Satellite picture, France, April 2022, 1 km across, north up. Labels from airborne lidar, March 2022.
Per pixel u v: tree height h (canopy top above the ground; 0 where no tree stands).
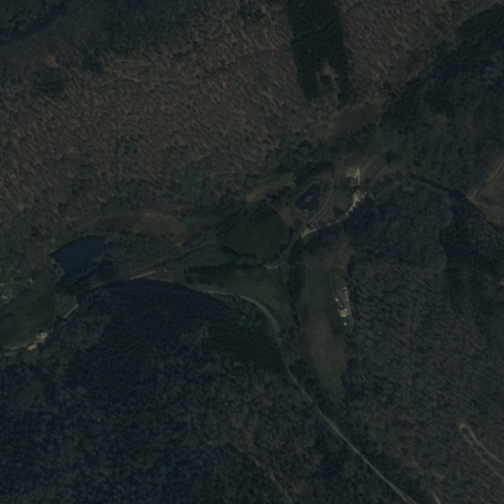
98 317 21
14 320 16
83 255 0
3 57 26
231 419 27
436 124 0
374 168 0
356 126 0
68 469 26
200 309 23
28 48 27
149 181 27
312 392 35
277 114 8
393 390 24
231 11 22
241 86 29
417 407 26
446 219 23
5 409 25
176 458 22
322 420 28
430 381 26
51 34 28
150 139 20
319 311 0
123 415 26
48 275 13
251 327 21
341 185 0
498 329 20
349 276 0
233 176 16
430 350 13
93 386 15
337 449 6
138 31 18
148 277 0
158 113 20
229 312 23
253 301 0
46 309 0
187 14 20
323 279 0
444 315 7
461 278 22
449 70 22
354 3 30
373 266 25
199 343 18
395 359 28
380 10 34
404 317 22
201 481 32
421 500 24
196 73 19
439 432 26
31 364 0
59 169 39
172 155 28
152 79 13
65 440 43
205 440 17
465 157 16
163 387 30
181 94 24
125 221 0
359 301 7
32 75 25
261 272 23
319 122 32
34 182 32
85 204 24
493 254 33
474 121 26
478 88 31
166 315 22
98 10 20
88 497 28
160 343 21
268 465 31
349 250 0
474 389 19
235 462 24
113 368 20
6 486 20
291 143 22
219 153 29
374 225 28
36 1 0
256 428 25
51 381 31
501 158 27
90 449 31
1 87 13
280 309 0
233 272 24
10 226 25
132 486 27
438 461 32
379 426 26
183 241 0
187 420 28
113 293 26
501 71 30
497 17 23
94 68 22
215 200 30
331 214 0
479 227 32
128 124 16
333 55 29
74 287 16
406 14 31
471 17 15
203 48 18
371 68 39
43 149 30
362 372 32
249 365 19
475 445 22
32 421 28
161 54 18
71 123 25
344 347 0
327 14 31
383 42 35
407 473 24
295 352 13
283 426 30
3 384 31
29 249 27
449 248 22
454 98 22
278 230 0
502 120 21
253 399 27
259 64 24
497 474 19
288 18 23
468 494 30
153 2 19
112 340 25
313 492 31
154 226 0
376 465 24
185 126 19
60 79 24
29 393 27
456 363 21
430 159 23
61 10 10
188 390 29
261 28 27
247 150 35
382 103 0
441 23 37
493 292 18
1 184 28
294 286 22
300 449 32
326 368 0
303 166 35
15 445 30
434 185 8
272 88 35
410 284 26
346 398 0
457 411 25
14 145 29
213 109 21
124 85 19
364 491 37
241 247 0
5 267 15
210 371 30
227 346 23
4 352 22
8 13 0
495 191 0
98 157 28
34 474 25
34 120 25
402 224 27
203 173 26
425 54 14
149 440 29
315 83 32
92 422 22
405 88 14
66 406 8
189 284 0
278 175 21
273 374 29
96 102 23
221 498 25
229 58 22
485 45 23
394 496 10
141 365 20
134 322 24
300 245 15
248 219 30
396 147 0
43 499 31
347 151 26
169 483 24
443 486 26
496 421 15
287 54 29
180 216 23
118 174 31
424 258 24
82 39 21
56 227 36
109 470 23
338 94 27
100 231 11
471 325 15
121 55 21
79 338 28
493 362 20
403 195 0
